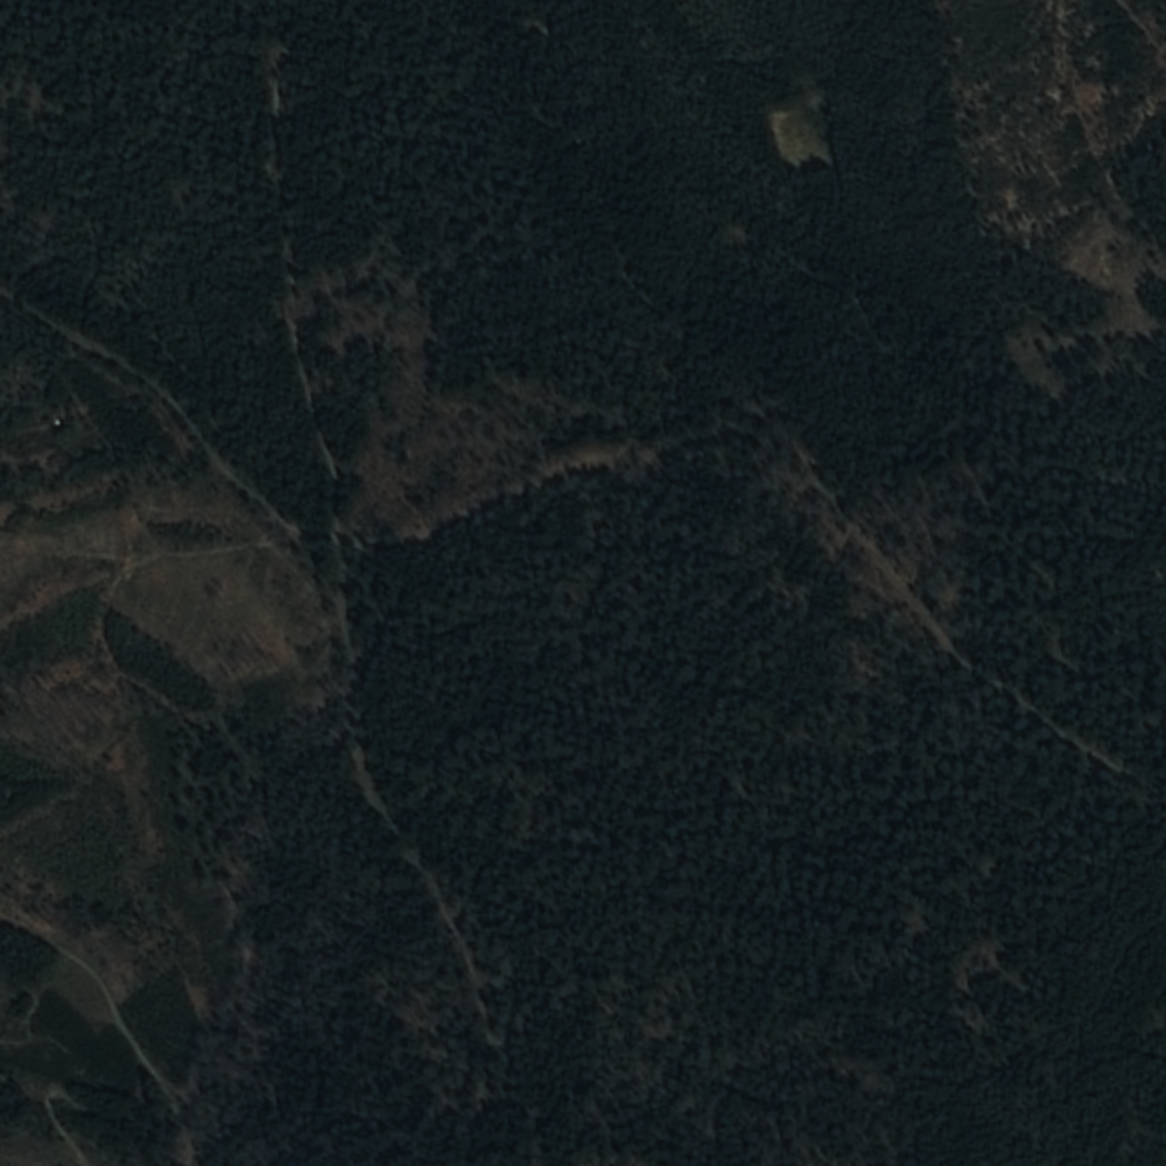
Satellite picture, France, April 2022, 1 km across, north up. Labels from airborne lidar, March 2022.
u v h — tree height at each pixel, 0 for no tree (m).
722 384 23
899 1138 20
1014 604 12
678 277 16
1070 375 24
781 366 17
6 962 21
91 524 0
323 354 18
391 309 24
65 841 9
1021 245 6
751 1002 18
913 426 23
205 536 10
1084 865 14
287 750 15
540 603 14
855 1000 7
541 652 23
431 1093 11
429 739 18
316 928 21
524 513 14
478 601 27
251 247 25
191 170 16
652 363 23
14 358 19
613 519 11
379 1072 13
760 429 21
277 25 27
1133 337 0
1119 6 9
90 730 22
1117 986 13
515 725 19
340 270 17
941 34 11
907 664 12
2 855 0
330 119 23
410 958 19
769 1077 24
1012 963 14
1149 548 18
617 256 16
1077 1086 16
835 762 14
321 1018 24
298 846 18
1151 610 17
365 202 19
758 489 26
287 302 15
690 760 12
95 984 0
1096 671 29
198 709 9
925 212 15
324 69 25
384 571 20
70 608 7
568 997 25
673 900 20
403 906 10
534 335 21
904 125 9
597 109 12
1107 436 30
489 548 13
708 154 11
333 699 22
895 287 17
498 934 22
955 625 26
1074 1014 14
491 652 19
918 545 7
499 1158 20
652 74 17
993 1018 23
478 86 10
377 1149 29
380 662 23
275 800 21
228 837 13
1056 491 25
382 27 22
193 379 16
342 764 21
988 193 10
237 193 24
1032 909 13
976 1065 21
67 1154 0
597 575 21
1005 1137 23
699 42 16
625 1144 26
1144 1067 18
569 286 13
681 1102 15
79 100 14
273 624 0
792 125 0
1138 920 14
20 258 18
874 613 27
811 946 22
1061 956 21
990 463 23
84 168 14
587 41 16
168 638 0
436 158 15
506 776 20
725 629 18
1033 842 6
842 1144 25
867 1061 13
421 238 20
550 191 21
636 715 6
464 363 19
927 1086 18
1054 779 8
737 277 18
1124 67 8
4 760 8
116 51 28
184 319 21
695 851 29
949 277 21
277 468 20
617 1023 9
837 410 21
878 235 21
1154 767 20
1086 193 6
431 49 19
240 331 15
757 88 24
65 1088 7
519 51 13
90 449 0
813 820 10
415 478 10
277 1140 20
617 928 23
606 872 23
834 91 17
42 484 12
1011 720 9
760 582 13
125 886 7
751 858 23
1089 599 21
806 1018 13
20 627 8
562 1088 19
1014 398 31
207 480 22
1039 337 0
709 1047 20
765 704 20
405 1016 13
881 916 18
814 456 19
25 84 26
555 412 23
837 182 23
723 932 13
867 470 24
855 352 16
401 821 8
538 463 9
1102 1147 18
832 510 28
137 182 16
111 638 12
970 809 24
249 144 20
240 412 24
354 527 17
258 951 17
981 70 9
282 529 9
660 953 21
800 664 15
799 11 16
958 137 10
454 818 10
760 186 22
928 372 25
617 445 18
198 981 0
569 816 22
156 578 0
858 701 11
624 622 29
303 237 12
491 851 14
